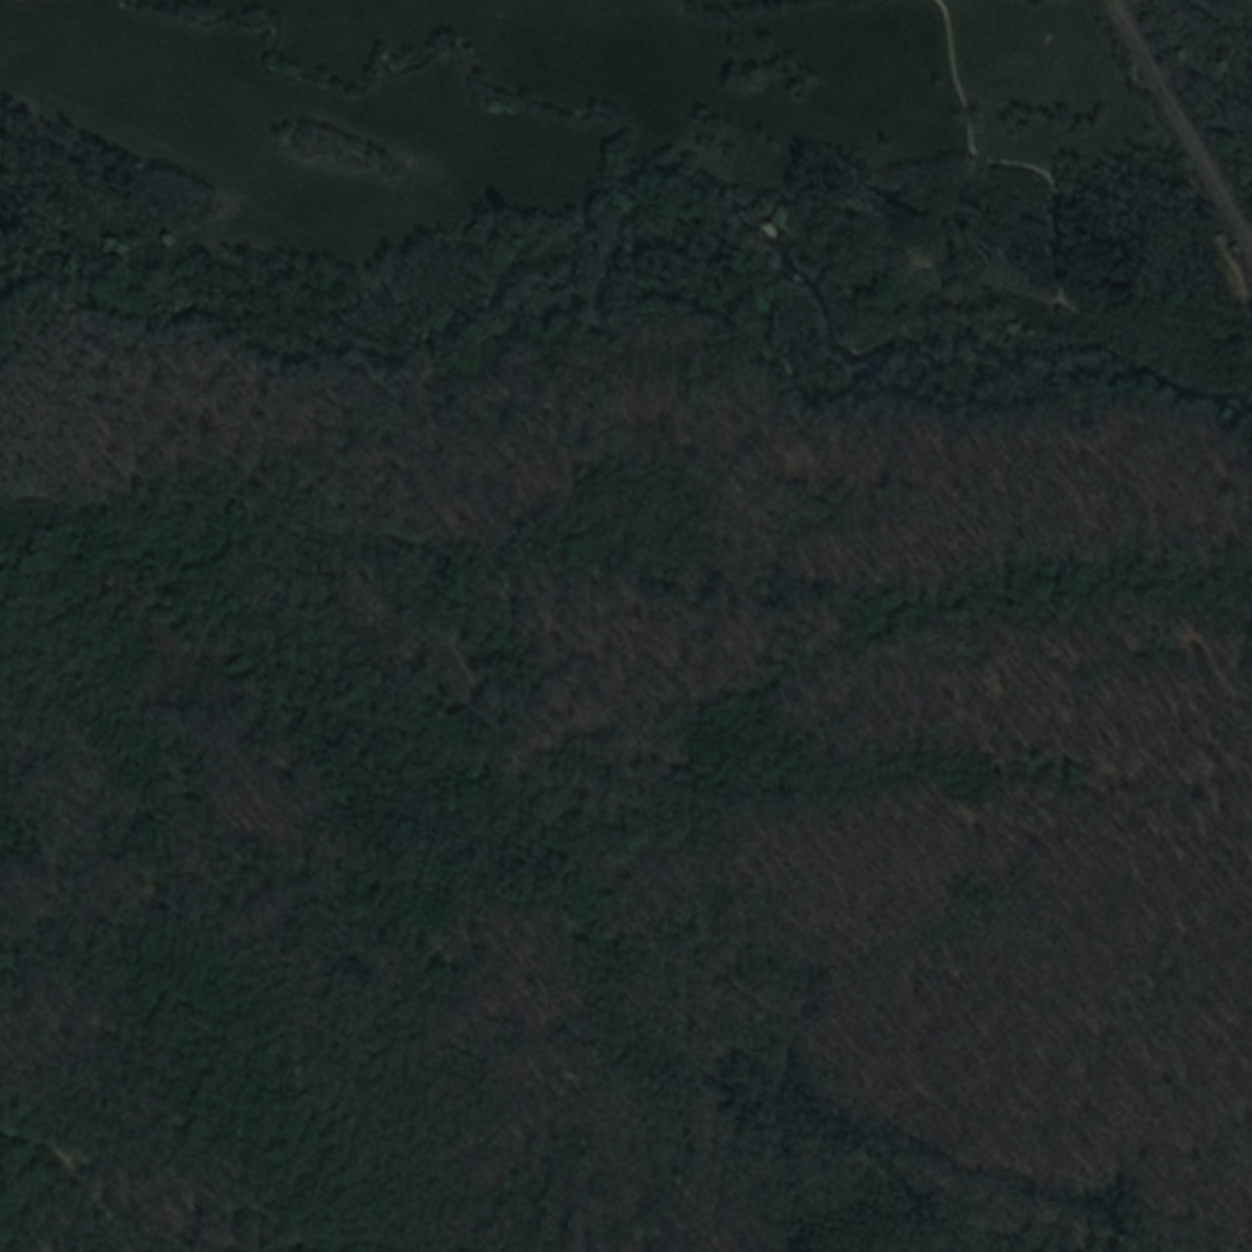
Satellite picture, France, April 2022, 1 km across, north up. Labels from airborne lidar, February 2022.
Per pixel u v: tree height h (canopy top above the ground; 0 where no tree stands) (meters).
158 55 0
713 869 29
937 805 0
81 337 28
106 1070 28
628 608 26
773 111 0
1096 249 28
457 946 26
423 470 33
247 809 31
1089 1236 24
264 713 25
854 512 25
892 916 0
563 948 26
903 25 0
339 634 24
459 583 20
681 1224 30
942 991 28
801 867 30
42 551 19
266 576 29
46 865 29
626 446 23
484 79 17
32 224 22
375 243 0
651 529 22
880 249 22
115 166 32
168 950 24
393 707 28
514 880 24
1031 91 0
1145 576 26
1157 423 29
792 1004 27
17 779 24
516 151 0
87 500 30
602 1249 27
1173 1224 25
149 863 29
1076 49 0
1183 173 10
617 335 28
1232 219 0
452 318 29
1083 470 29
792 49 0
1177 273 29
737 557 24
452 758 26
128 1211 30
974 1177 21
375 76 13
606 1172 28
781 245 0
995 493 31
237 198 0
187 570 26
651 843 24
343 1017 26
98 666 27
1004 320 19
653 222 25
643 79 0
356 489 25
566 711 22
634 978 27
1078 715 27
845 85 0
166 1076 29
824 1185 25
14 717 26
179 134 0
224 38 0
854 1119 24
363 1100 25
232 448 26
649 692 27
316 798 30
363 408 33
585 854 27
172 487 29
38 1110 24
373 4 0
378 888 22
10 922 27
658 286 31
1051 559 26
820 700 28
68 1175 21
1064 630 28
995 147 0
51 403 28
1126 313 12
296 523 26
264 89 0
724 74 0
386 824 28
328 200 0
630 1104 27
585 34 0
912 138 0
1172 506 0
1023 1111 28
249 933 29
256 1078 23
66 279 12
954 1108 27
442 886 27
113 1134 28
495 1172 29
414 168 0
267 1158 28
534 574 25
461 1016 26
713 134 17
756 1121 22
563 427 30
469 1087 31
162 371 29
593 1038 28
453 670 0
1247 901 30
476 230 7
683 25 0
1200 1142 26
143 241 13
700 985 27
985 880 25
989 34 0
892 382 26
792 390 32
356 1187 27
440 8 0
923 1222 24
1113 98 0
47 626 22
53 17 0
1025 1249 23
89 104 0
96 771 26
